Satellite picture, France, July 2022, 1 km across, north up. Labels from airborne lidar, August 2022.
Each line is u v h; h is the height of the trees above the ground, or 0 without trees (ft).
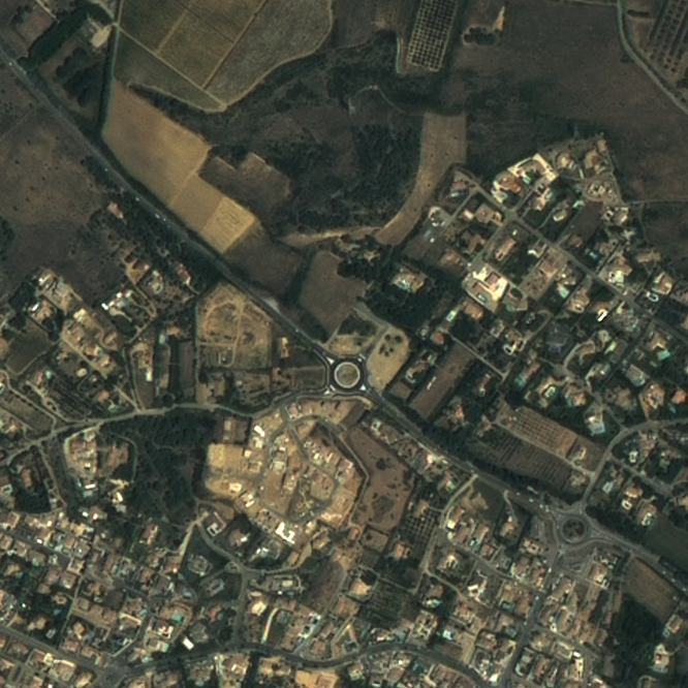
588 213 0
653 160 0
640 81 0
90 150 0
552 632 0
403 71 0
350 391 0
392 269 30
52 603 25
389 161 30
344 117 0
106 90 41
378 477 0
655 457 29
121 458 0
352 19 0
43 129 0
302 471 0
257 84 0
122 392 0
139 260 20
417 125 0
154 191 0
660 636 29
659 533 0
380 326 0
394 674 0
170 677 0
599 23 0
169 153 0
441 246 0
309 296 0
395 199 29
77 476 0
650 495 31
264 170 0
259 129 0
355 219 24
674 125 0
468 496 0
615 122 0
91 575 0
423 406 0
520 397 49
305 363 0
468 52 0
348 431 0
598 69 0
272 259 0
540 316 24
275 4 0
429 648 24
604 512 22
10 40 0
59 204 0
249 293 0
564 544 0
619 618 53
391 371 0
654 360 0
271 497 0
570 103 0
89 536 26
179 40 0
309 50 0
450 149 0
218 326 0
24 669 0
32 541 0
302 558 0
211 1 0
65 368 0
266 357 0
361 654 0
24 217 0
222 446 0
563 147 0
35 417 0
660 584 0
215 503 0
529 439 0
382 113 0
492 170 19
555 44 0
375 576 19
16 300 41
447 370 0
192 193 0
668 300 22
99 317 0
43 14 0
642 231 22
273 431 0
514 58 0
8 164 0
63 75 52
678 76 0
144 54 0
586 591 0
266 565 30
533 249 0
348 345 0
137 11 0
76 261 0
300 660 0
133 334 25
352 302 0
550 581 0
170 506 33
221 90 0
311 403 0
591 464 0
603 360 25
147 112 0
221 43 0
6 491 0
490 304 0
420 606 32
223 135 0
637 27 0
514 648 0
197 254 47
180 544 25
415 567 22
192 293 33
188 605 0
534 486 73
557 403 25
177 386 38
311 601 0
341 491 0
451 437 38
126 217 36
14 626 0
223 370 31
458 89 0
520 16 0
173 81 0
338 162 0
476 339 31
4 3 0
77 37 0
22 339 0
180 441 39
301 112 0
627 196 19
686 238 0
